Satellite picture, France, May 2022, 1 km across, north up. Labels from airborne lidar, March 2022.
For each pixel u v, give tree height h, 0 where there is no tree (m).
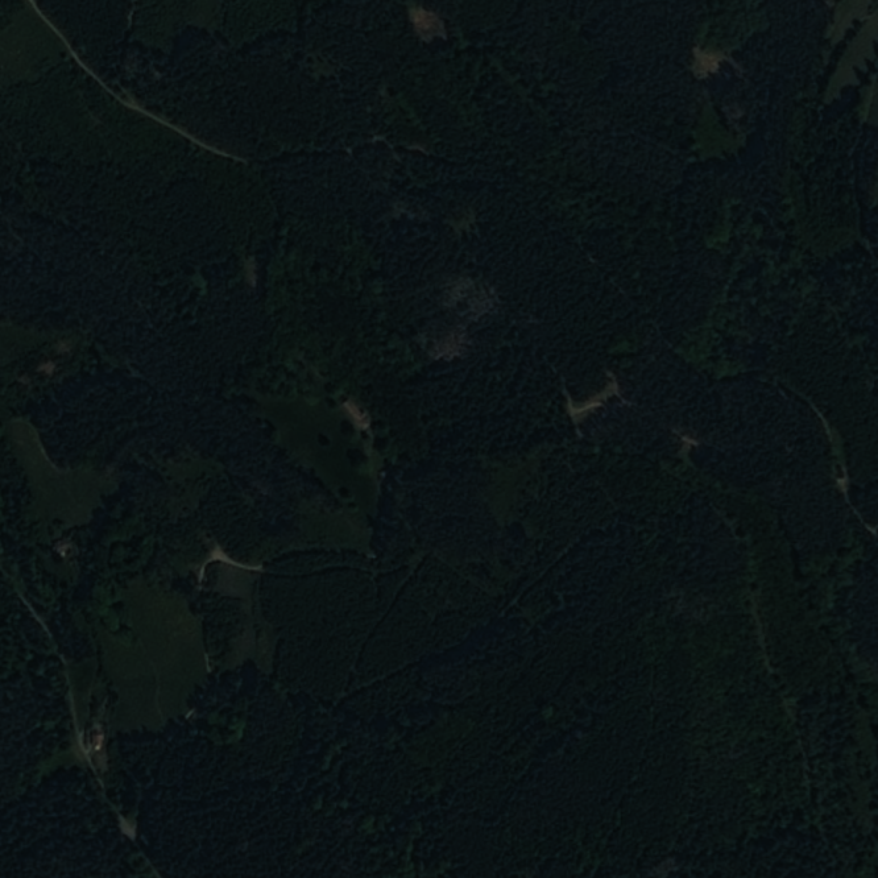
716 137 0
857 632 33
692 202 33
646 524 17
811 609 15
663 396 30
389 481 20
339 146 12
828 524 31
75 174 15
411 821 31
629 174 23
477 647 26
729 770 12
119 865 13
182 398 34
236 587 0
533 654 10
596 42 30
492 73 34
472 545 30
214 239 18
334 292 16
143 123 6
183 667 0
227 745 17
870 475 13
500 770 15
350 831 32
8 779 25
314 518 0
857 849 14
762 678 17
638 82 33
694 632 14
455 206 27
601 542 17
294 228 18
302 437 0
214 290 30
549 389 33
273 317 19
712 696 12
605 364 28
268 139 17
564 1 30
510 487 0
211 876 33
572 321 31
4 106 8
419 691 26
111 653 0
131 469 26
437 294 22
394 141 14
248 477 31
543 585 8
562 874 21
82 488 0
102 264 32
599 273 26
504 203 28
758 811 14
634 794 15
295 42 18
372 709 10
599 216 17
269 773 17
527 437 9
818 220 7
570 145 24
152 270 7
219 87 17
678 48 31
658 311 24
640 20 30
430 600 6
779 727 9
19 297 31
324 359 16
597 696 13
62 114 6
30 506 16
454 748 13
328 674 11
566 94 23
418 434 20
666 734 11
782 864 31
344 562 8
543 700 11
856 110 13
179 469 0
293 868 26
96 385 35
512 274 29
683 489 15
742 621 14
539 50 23
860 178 20
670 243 21
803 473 29
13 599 15
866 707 23
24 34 0
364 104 15
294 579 10
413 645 11
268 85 17
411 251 31
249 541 6
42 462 0
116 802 24
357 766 16
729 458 26
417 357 24
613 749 14
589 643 10
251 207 9
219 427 36
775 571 7
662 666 11
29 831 38
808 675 6
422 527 30
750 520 7
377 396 15
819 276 22
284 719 29
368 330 12
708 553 25
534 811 22
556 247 27
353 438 19
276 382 21
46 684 31
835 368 13
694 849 17
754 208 21
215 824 36
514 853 19
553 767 21
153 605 0
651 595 19
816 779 18
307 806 32
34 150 9
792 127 17
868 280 29
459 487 31
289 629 11
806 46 33
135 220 14
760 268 33
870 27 0
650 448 25
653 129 13
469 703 11
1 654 14
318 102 15
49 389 6
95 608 31
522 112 24
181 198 15
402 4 23
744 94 33
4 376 7
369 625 11
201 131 16
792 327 13
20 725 32
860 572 32
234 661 0
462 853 20
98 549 26
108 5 14
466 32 18
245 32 8
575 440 23
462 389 28
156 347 31
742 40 27
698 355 34
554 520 6
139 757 16
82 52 13
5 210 30
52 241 30
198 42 24
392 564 11
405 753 16
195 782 28
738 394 33
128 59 18
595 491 12
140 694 0
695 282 31
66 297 33
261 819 34
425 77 20
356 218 19
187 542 6
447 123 20
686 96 33
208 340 26
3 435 5
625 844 17
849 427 12
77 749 0
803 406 27
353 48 16
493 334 24
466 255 27
